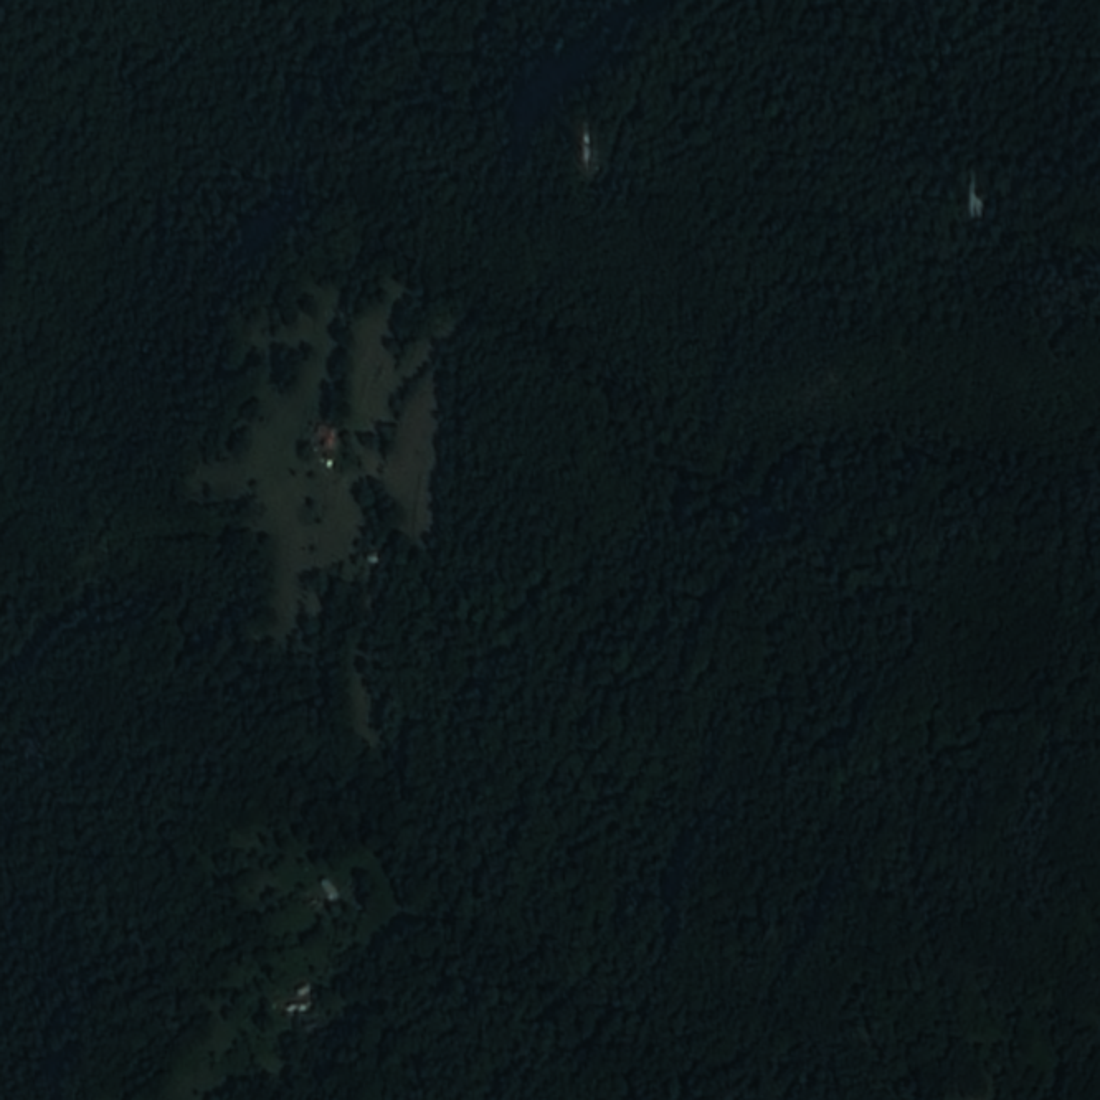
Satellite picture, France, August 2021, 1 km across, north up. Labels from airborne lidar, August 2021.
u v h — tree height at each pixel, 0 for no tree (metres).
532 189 15
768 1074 27
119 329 23
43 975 24
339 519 0
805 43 25
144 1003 23
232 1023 12
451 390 21
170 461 23
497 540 25
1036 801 26
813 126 22
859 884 22
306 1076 13
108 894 17
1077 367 18
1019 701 27
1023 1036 25
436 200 24
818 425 23
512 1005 20
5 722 18
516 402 18
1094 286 29
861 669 33
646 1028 28
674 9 22
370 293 18
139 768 27
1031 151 26
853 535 30
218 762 24
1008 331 17
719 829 19
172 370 22
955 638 19
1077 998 6
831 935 23
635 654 28
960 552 31
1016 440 18
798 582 25
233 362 24
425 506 0
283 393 7
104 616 30
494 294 22
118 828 25
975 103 29
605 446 25
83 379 26
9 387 24
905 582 16
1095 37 29
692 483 32
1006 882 19
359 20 26
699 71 25
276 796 22
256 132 15
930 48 25
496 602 31
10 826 19
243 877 9
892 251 23
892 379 19
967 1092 17
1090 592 20
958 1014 19
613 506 24
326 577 9
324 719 26
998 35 28
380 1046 20
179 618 15
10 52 24
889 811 26
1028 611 23
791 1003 21
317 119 17
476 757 25
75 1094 12
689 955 21
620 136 12
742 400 16
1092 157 31
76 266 27
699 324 24
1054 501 31
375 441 12
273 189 21
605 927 23
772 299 27
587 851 29
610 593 27
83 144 24
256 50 25
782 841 30
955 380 20
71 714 24
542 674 23
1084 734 22
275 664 27
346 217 18
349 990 22
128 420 24
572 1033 32
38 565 21
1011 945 15
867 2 29
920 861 30
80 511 13
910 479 33
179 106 26
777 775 27
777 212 18
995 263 21
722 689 18
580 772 26
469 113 15
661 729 22
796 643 32
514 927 20
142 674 24
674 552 24
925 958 15
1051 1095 10
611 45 18
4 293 16
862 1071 22
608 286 21
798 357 21
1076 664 25
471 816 28
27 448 23
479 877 16
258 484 9
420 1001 21
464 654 19
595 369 20
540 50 27
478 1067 24
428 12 19
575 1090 27
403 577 23
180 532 9
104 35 19
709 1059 33
